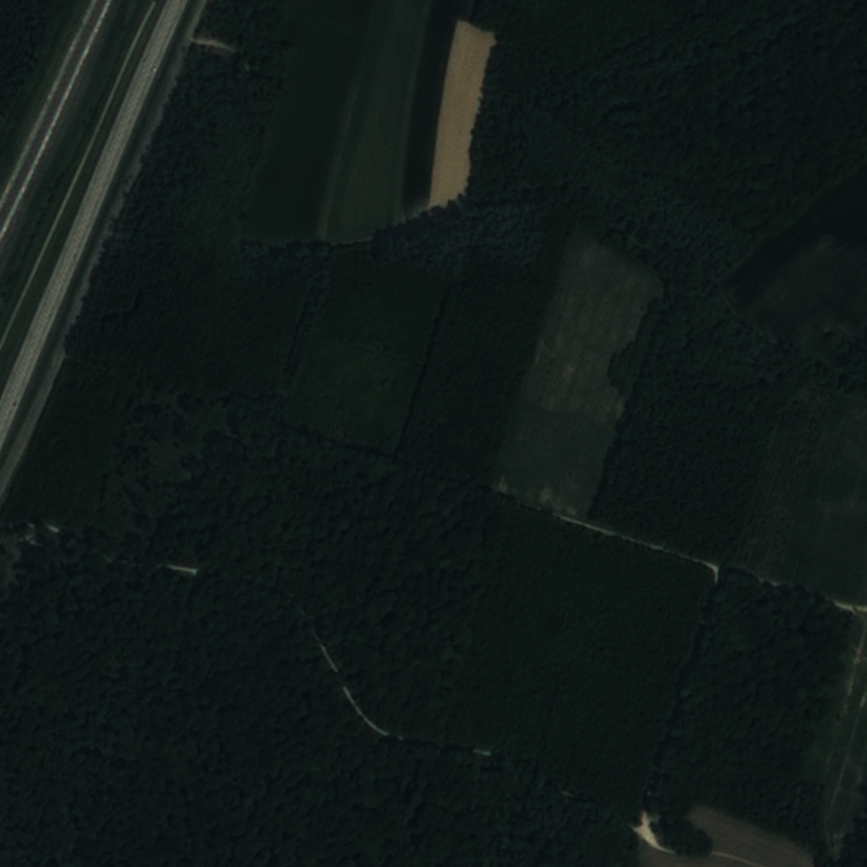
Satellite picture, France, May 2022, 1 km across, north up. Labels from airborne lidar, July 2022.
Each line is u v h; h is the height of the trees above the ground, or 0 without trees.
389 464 26
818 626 27
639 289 0
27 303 0
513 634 13
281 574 22
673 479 18
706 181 26
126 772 29
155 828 26
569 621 11
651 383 18
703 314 29
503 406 14
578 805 19
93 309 16
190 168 19
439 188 0
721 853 0
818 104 29
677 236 18
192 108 18
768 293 0
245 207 21
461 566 26
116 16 0
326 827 26
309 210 0
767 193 24
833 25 28
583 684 8
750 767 21
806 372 26
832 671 29
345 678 12
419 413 14
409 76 0
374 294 7
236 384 17
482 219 35
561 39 17
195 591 26
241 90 20
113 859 28
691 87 29
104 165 0
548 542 14
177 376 19
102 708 27
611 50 17
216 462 30
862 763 0
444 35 0
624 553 11
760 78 30
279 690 24
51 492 7
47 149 0
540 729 10
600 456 0
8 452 0
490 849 29
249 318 20
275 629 28
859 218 0
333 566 31
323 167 0
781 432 8
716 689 30
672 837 22
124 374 14
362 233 0
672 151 27
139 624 25
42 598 28
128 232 18
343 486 21
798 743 23
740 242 23
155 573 27
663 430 17
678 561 11
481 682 13
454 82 0
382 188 0
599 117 25
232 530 26
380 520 27
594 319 0
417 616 27
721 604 28
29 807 29
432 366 13
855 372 28
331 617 26
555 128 22
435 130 0
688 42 20
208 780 26
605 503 17
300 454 26
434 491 26
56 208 0
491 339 14
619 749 8
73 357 16
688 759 23
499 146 21
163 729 25
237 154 26
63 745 26
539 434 0
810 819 21
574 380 0
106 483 13
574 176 21
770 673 28
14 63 17
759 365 25
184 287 19
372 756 25
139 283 18
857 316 0
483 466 16
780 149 27
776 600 28
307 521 21
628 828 19
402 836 24
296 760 29
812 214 0
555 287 14
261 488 22
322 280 25
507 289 16
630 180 18
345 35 0
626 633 9
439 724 26
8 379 0
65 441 8
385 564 28
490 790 27
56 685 27
